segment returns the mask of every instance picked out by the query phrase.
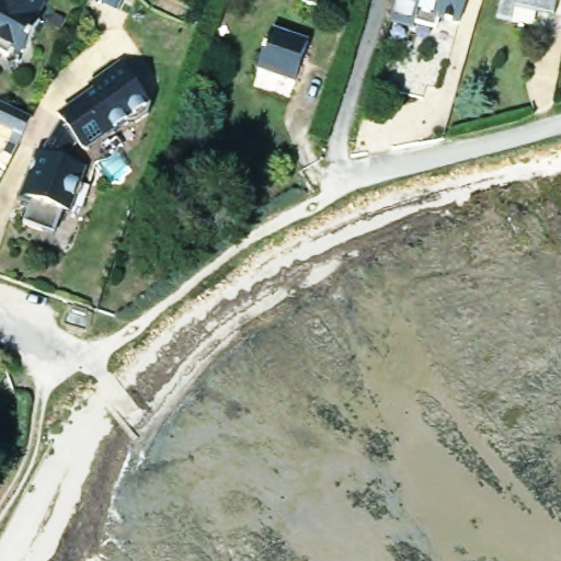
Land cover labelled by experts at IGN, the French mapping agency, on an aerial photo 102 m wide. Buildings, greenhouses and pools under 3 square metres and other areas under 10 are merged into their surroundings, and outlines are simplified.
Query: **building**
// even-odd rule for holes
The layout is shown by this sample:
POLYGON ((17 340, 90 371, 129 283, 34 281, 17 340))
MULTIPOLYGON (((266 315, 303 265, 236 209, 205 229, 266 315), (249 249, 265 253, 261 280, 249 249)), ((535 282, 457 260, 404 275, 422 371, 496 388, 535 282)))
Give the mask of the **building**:
POLYGON ((394 9, 403 15, 412 13, 412 0, 397 0, 394 9))
POLYGON ((513 22, 515 9, 552 9, 554 0, 497 0, 497 20, 513 22))
POLYGON ((309 26, 291 22, 287 18, 278 18, 267 33, 270 42, 261 44, 261 68, 294 79, 300 72, 307 57, 313 31, 309 26))
POLYGON ((28 169, 20 191, 48 195, 61 204, 72 206, 75 195, 70 191, 75 188, 75 182, 85 182, 90 158, 70 140, 64 127, 57 125, 53 134, 44 138, 35 149, 35 162, 28 169))
POLYGON ((136 55, 123 55, 99 68, 92 81, 68 99, 68 103, 61 107, 61 114, 75 125, 81 140, 92 142, 101 138, 105 131, 110 131, 112 110, 129 114, 131 96, 140 96, 149 103, 156 101, 158 94, 156 64, 153 57, 136 55))
POLYGON ((449 13, 454 18, 460 18, 465 13, 469 0, 436 0, 434 7, 440 13, 449 13))
POLYGON ((0 37, 11 42, 11 46, 24 48, 24 26, 31 24, 39 20, 44 18, 48 0, 0 0, 0 37))

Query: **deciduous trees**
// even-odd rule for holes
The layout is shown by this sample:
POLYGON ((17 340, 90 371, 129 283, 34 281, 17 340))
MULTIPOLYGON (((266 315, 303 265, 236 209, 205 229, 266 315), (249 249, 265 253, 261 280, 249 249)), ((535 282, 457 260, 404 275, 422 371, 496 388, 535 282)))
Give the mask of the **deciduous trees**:
POLYGON ((486 96, 482 94, 482 81, 473 79, 473 72, 462 72, 449 110, 449 121, 480 116, 486 112, 486 105, 482 103, 486 96))
POLYGON ((274 182, 276 186, 287 186, 289 175, 298 173, 300 164, 298 158, 291 160, 289 156, 272 156, 274 134, 270 129, 265 112, 261 112, 259 116, 241 114, 232 123, 224 123, 224 94, 232 92, 232 85, 224 83, 215 70, 202 70, 199 75, 206 77, 210 85, 188 90, 188 103, 182 112, 180 123, 175 123, 173 140, 156 160, 151 160, 145 167, 142 175, 136 182, 136 186, 147 193, 145 206, 142 232, 138 237, 138 252, 134 256, 140 263, 173 261, 182 265, 184 261, 191 261, 197 270, 213 261, 228 245, 234 245, 243 237, 248 237, 252 228, 259 226, 263 219, 272 217, 267 213, 267 186, 274 182))
POLYGON ((0 484, 18 467, 18 462, 24 456, 24 449, 18 440, 0 425, 0 484))

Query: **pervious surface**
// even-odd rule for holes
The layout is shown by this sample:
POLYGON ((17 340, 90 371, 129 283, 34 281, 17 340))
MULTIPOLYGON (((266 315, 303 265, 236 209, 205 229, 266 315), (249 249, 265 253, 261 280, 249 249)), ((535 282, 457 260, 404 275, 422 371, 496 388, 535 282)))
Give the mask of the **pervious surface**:
POLYGON ((274 276, 281 267, 320 254, 337 243, 344 243, 353 237, 377 230, 390 221, 397 221, 419 210, 438 208, 445 204, 465 204, 473 191, 480 188, 515 180, 530 180, 537 175, 546 178, 561 173, 561 145, 548 147, 543 151, 519 153, 515 160, 517 164, 473 169, 471 173, 454 171, 447 178, 423 178, 410 182, 408 186, 392 188, 388 193, 357 197, 353 204, 331 215, 322 224, 309 226, 300 230, 296 237, 287 237, 281 245, 270 245, 263 252, 248 259, 224 283, 219 283, 215 289, 206 291, 195 302, 184 307, 180 316, 171 318, 160 329, 160 333, 151 337, 140 351, 127 353, 125 366, 118 373, 110 373, 96 381, 88 383, 88 390, 83 392, 88 405, 70 414, 70 419, 64 423, 61 434, 42 436, 48 401, 35 394, 31 434, 24 449, 24 456, 18 462, 18 467, 0 484, 0 561, 48 561, 55 554, 57 543, 75 513, 75 504, 81 497, 81 486, 90 473, 90 465, 99 449, 99 443, 110 434, 112 421, 121 423, 129 440, 123 465, 110 489, 110 508, 116 508, 118 489, 127 471, 136 473, 145 465, 147 443, 153 438, 162 416, 173 410, 182 392, 195 383, 197 375, 215 359, 217 353, 221 353, 237 337, 239 324, 243 320, 250 320, 272 309, 287 296, 287 289, 261 291, 256 300, 245 300, 239 307, 226 311, 224 320, 208 322, 206 329, 210 331, 210 335, 204 337, 186 355, 173 379, 169 379, 156 392, 151 401, 151 412, 140 410, 127 394, 127 390, 136 383, 138 373, 142 373, 149 364, 156 362, 158 353, 186 324, 202 320, 217 302, 234 298, 241 289, 250 289, 256 281, 274 276), (399 199, 412 199, 427 191, 436 193, 436 199, 432 202, 405 206, 368 221, 362 219, 362 213, 377 210, 399 199))
POLYGON ((313 184, 320 184, 327 178, 327 167, 320 167, 309 138, 309 127, 318 105, 316 94, 322 90, 324 77, 313 75, 316 64, 307 57, 300 72, 294 79, 294 88, 285 96, 285 129, 289 134, 289 140, 298 147, 298 158, 300 164, 307 169, 307 178, 313 184))

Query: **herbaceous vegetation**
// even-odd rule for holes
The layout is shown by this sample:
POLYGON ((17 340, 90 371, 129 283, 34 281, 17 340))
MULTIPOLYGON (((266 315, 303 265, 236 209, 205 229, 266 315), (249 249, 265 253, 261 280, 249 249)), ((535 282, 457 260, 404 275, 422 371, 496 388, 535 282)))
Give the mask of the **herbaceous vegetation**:
POLYGON ((46 66, 53 55, 57 26, 44 24, 39 20, 31 24, 35 28, 31 61, 35 64, 35 79, 28 88, 11 88, 13 70, 0 66, 0 112, 15 116, 20 121, 28 121, 39 107, 44 92, 55 79, 46 72, 46 66))
POLYGON ((436 199, 436 193, 427 191, 412 199, 399 199, 377 210, 362 213, 362 219, 368 221, 405 206, 432 202, 436 199))
POLYGON ((482 81, 482 94, 486 96, 482 103, 486 105, 486 112, 480 116, 489 118, 515 110, 530 110, 535 105, 528 99, 528 81, 524 77, 526 61, 522 55, 519 39, 522 26, 513 22, 497 20, 497 0, 482 0, 471 31, 462 72, 473 72, 473 79, 482 81))
POLYGON ((473 169, 517 164, 515 160, 519 153, 543 151, 548 147, 561 145, 561 134, 355 188, 337 197, 335 202, 327 204, 322 210, 296 219, 267 237, 261 237, 250 248, 226 261, 217 272, 197 283, 186 296, 182 296, 178 302, 164 309, 158 318, 153 318, 138 337, 118 346, 110 355, 110 373, 118 373, 125 366, 127 353, 140 351, 151 337, 160 333, 160 329, 171 318, 180 316, 184 307, 195 302, 206 291, 215 289, 219 283, 224 283, 248 259, 263 252, 270 245, 281 245, 287 237, 296 237, 300 230, 309 226, 322 224, 331 215, 353 204, 357 197, 388 193, 392 188, 408 186, 410 182, 423 178, 447 178, 454 171, 471 173, 473 169))
POLYGON ((348 151, 355 151, 359 127, 364 121, 368 121, 357 110, 348 129, 348 151))
POLYGON ((256 300, 261 291, 287 289, 287 296, 294 296, 302 287, 307 287, 305 278, 311 274, 316 265, 327 263, 331 259, 342 261, 344 256, 351 256, 344 243, 337 243, 320 254, 281 267, 274 276, 256 281, 250 289, 241 289, 234 298, 217 302, 202 320, 186 324, 158 353, 156 362, 149 364, 142 373, 138 373, 136 383, 127 390, 127 394, 140 410, 151 412, 151 401, 156 392, 169 379, 173 379, 186 355, 204 337, 210 335, 210 331, 206 329, 208 322, 224 320, 226 311, 239 307, 245 300, 256 300))
POLYGON ((90 465, 90 473, 81 486, 81 497, 75 504, 75 513, 57 543, 55 554, 48 561, 85 561, 92 554, 105 554, 110 559, 116 552, 116 546, 112 543, 99 543, 101 526, 110 508, 110 489, 123 465, 129 440, 121 423, 112 421, 110 434, 99 443, 99 449, 90 465))
POLYGON ((149 116, 145 121, 142 134, 134 131, 134 147, 121 151, 123 162, 129 167, 129 175, 123 184, 114 184, 110 175, 101 175, 94 206, 88 213, 83 213, 83 221, 79 224, 77 232, 68 237, 72 248, 61 250, 59 263, 44 267, 39 276, 55 281, 57 285, 70 285, 79 291, 90 294, 90 305, 66 294, 48 291, 44 287, 35 287, 31 283, 13 278, 11 270, 22 267, 22 261, 9 254, 7 239, 31 237, 33 232, 22 224, 24 219, 15 213, 15 217, 7 221, 4 239, 0 241, 0 285, 35 296, 37 302, 48 305, 55 311, 55 322, 61 331, 79 340, 96 340, 116 333, 127 322, 136 320, 140 313, 151 309, 162 298, 167 298, 171 291, 175 291, 197 270, 191 261, 184 261, 182 265, 173 261, 140 263, 134 256, 127 261, 125 278, 118 285, 101 289, 101 278, 107 274, 107 263, 114 254, 114 241, 123 234, 118 226, 125 221, 125 215, 129 213, 129 208, 145 206, 147 193, 136 186, 136 182, 142 175, 145 167, 151 160, 156 160, 173 140, 175 123, 180 123, 182 112, 188 103, 188 90, 210 85, 206 77, 199 75, 202 70, 202 55, 204 50, 208 50, 213 39, 195 31, 195 22, 184 22, 186 4, 182 0, 134 0, 134 4, 125 11, 125 31, 138 46, 136 55, 153 57, 156 64, 158 94, 156 101, 149 103, 149 116))
POLYGON ((274 182, 267 186, 267 213, 272 217, 300 204, 307 197, 320 195, 320 184, 313 184, 307 178, 307 169, 300 164, 298 173, 289 175, 287 186, 276 186, 274 182))
POLYGON ((254 0, 252 11, 248 15, 241 18, 226 13, 221 22, 224 26, 228 26, 228 33, 234 35, 241 44, 241 70, 234 77, 232 85, 232 92, 224 94, 224 123, 232 123, 241 114, 259 116, 261 112, 265 112, 270 129, 274 134, 272 156, 289 156, 291 160, 298 158, 298 147, 289 140, 289 134, 285 129, 285 96, 278 92, 256 88, 254 79, 256 70, 261 68, 261 44, 270 42, 267 33, 278 18, 287 18, 291 22, 309 26, 313 22, 316 0, 254 0))
POLYGON ((35 388, 33 377, 26 373, 22 364, 22 357, 15 362, 9 355, 0 353, 0 425, 18 440, 18 401, 11 394, 11 388, 35 388))
POLYGON ((88 390, 88 383, 96 381, 96 377, 92 375, 75 373, 50 392, 48 401, 42 436, 61 434, 64 423, 70 419, 70 414, 88 405, 83 392, 88 390))
POLYGON ((353 75, 353 66, 357 59, 357 50, 362 44, 373 0, 353 0, 351 18, 348 22, 342 22, 340 31, 313 31, 307 57, 316 64, 313 75, 324 77, 322 90, 316 94, 318 105, 309 127, 309 138, 320 167, 327 167, 329 138, 333 134, 353 75))

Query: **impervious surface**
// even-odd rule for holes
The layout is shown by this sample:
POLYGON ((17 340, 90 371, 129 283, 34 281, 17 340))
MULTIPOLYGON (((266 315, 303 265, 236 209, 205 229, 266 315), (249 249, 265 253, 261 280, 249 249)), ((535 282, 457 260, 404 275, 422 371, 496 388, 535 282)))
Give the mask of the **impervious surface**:
POLYGON ((88 213, 94 206, 101 175, 110 175, 114 184, 123 184, 129 175, 129 167, 123 162, 121 151, 134 147, 134 131, 142 134, 145 121, 149 116, 149 103, 140 96, 131 96, 129 114, 112 110, 110 131, 105 131, 101 138, 92 142, 81 140, 75 125, 61 114, 61 107, 68 103, 68 99, 92 81, 99 68, 123 55, 136 55, 138 46, 125 31, 125 11, 134 4, 134 0, 90 0, 92 9, 88 11, 88 18, 92 20, 94 31, 101 37, 81 55, 77 55, 55 79, 44 92, 39 107, 28 121, 20 121, 15 116, 0 112, 0 241, 4 239, 7 221, 15 217, 15 213, 24 219, 22 224, 33 232, 37 239, 57 243, 61 250, 72 248, 68 237, 77 232, 79 224, 83 221, 83 213, 88 213), (90 158, 85 182, 75 182, 75 188, 70 191, 75 195, 72 206, 61 204, 48 195, 20 191, 28 169, 35 162, 35 149, 44 138, 53 134, 57 125, 64 127, 70 140, 90 158))
POLYGON ((116 333, 96 340, 79 340, 61 331, 55 322, 55 311, 48 305, 37 302, 35 296, 0 285, 0 353, 9 355, 15 362, 22 357, 22 364, 26 373, 33 377, 35 388, 35 394, 48 401, 50 392, 75 373, 92 375, 96 377, 96 381, 110 373, 110 355, 118 346, 138 337, 153 318, 158 318, 164 309, 178 302, 182 296, 186 296, 197 283, 217 272, 226 261, 250 248, 261 237, 267 237, 296 219, 322 210, 327 204, 335 202, 337 197, 355 188, 561 134, 561 0, 554 0, 552 9, 515 9, 513 22, 522 26, 533 24, 537 20, 554 22, 554 42, 550 50, 537 61, 535 75, 528 81, 528 99, 535 105, 535 123, 476 138, 436 138, 434 127, 447 125, 449 121, 449 110, 462 72, 471 31, 482 0, 469 0, 465 13, 460 18, 454 18, 449 13, 440 13, 434 7, 436 0, 412 0, 412 13, 403 15, 394 9, 397 0, 373 0, 362 44, 357 50, 357 59, 353 66, 353 75, 333 134, 329 138, 327 167, 327 178, 320 184, 320 195, 307 197, 300 204, 272 217, 263 219, 259 226, 252 228, 248 237, 243 237, 234 245, 228 245, 213 261, 197 270, 175 291, 171 291, 167 298, 162 298, 151 309, 140 313, 136 320, 127 322, 116 333), (405 46, 410 46, 410 59, 397 61, 397 70, 383 68, 377 77, 390 83, 405 105, 386 123, 368 121, 364 121, 359 127, 355 151, 348 151, 348 129, 357 110, 362 83, 373 50, 379 42, 381 26, 383 22, 392 22, 392 37, 399 37, 405 46), (436 53, 427 61, 419 57, 419 48, 425 37, 436 39, 436 53))
POLYGON ((24 26, 24 48, 11 46, 11 42, 0 37, 0 66, 13 70, 20 64, 31 61, 35 28, 31 24, 24 26))
POLYGON ((294 79, 261 68, 256 70, 254 79, 256 88, 278 92, 285 96, 294 88, 294 79))

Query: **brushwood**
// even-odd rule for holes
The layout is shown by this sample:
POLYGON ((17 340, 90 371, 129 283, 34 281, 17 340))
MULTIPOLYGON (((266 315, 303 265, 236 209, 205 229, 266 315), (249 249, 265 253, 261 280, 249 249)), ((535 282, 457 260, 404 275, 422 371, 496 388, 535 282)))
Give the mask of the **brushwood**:
POLYGON ((28 88, 35 79, 35 64, 31 61, 20 64, 13 70, 11 88, 28 88))
POLYGON ((57 26, 53 55, 46 66, 46 72, 55 79, 77 55, 81 55, 101 37, 94 31, 92 20, 88 18, 88 11, 92 9, 90 0, 48 0, 44 18, 39 20, 44 24, 57 26))
POLYGON ((234 35, 228 33, 228 26, 224 26, 221 22, 226 13, 241 18, 248 15, 252 11, 254 0, 182 0, 186 4, 184 22, 195 22, 195 31, 213 39, 208 50, 204 50, 202 55, 202 70, 215 70, 224 83, 232 85, 234 77, 241 70, 241 44, 234 35))
POLYGON ((351 18, 353 0, 316 0, 313 22, 309 26, 313 31, 340 31, 342 22, 348 22, 351 18))
POLYGON ((90 294, 79 291, 70 285, 57 285, 55 281, 39 276, 44 267, 59 263, 61 250, 57 243, 37 239, 33 232, 31 237, 7 239, 9 254, 22 261, 22 267, 11 270, 13 278, 31 283, 35 287, 44 287, 48 291, 66 294, 90 305, 90 294))
POLYGON ((18 401, 18 440, 24 449, 31 434, 35 394, 35 388, 11 388, 11 394, 18 401))
POLYGON ((145 206, 129 208, 129 213, 125 215, 125 221, 118 226, 123 234, 114 241, 114 254, 107 263, 107 274, 101 278, 101 289, 118 285, 125 278, 127 261, 134 256, 138 252, 138 237, 142 232, 145 206))
POLYGON ((537 61, 550 50, 554 42, 554 22, 537 20, 533 24, 522 26, 519 39, 522 55, 526 61, 524 77, 528 81, 535 75, 537 61))
POLYGON ((379 42, 373 50, 362 83, 357 110, 368 121, 386 123, 405 105, 390 83, 377 77, 383 68, 397 70, 397 61, 410 59, 410 46, 405 46, 399 37, 392 37, 392 22, 383 22, 381 26, 379 42))
POLYGON ((419 57, 427 61, 436 53, 436 39, 425 37, 419 48, 419 57))
POLYGON ((480 116, 449 121, 447 125, 434 127, 436 138, 476 138, 535 123, 535 105, 530 110, 515 110, 489 118, 480 116))

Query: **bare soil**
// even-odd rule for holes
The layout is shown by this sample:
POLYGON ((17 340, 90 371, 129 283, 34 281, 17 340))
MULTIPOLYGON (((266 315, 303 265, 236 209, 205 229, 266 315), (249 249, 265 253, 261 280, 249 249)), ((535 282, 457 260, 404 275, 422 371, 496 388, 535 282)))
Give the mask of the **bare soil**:
POLYGON ((331 259, 327 263, 316 265, 311 274, 305 278, 307 287, 302 287, 294 296, 287 296, 272 309, 250 320, 243 320, 239 324, 237 337, 221 353, 217 353, 215 359, 197 375, 195 383, 182 392, 173 410, 162 416, 153 438, 147 443, 145 465, 136 473, 127 471, 118 489, 116 508, 110 508, 101 526, 99 543, 112 543, 116 546, 116 552, 110 559, 105 554, 92 554, 85 561, 561 561, 561 173, 546 178, 537 175, 530 180, 515 180, 480 188, 473 191, 465 204, 445 204, 438 208, 419 210, 397 221, 390 221, 377 230, 353 237, 344 243, 351 256, 344 256, 342 261, 331 259))

